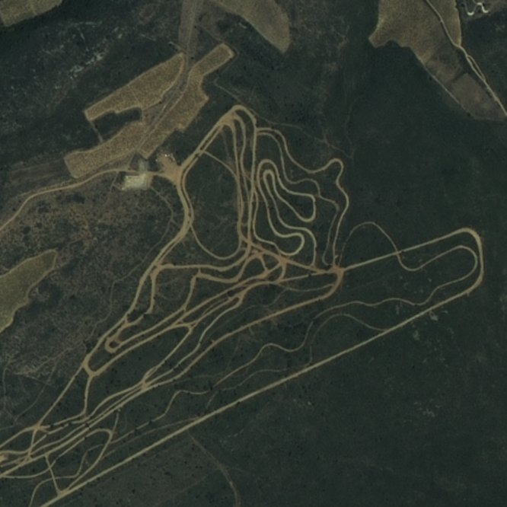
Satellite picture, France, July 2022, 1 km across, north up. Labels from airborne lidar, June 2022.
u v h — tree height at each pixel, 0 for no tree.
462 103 0
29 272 0
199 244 0
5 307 0
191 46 0
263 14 0
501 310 0
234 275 0
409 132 0
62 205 0
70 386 0
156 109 0
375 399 0
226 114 0
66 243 0
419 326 0
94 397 0
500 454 0
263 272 0
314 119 6
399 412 0
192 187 0
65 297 0
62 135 0
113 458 0
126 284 0
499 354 0
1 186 0
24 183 0
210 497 8
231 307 0
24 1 0
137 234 0
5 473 0
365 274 0
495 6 0
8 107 0
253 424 0
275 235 0
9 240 0
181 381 0
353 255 0
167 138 0
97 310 0
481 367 0
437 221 0
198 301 0
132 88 0
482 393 0
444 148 0
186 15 0
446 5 0
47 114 0
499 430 0
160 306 0
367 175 0
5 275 0
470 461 0
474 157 0
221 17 0
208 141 0
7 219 0
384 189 0
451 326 0
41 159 0
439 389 0
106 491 0
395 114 0
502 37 0
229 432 0
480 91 0
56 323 0
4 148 0
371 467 0
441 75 0
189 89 0
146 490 0
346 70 0
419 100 0
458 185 0
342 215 0
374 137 0
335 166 0
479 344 0
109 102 0
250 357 0
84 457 0
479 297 0
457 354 0
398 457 0
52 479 0
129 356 0
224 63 0
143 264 0
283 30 0
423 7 0
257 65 0
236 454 0
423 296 0
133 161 0
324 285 0
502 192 0
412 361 0
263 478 0
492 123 0
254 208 0
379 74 0
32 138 0
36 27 6
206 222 0
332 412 0
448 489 0
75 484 0
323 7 0
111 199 0
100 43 0
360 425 0
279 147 0
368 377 0
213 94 0
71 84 0
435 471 0
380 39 0
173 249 0
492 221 0
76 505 0
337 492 0
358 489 0
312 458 0
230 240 0
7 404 0
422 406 0
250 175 0
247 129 0
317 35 0
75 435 0
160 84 0
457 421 0
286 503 0
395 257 0
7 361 0
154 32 0
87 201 0
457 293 0
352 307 0
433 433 0
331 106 0
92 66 0
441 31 0
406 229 0
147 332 0
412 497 0
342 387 0
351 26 0
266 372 0
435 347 0
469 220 0
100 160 0
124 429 0
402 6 0
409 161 0
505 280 0
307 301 0
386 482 0
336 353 0
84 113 0
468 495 0
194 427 0
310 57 0
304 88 0
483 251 0
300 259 0
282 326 6
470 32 0
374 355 0
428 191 0
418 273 0
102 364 0
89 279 0
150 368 0
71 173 0
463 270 0
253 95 0
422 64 0
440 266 0
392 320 0
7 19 0
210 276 0
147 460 0
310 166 0
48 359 0
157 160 0
